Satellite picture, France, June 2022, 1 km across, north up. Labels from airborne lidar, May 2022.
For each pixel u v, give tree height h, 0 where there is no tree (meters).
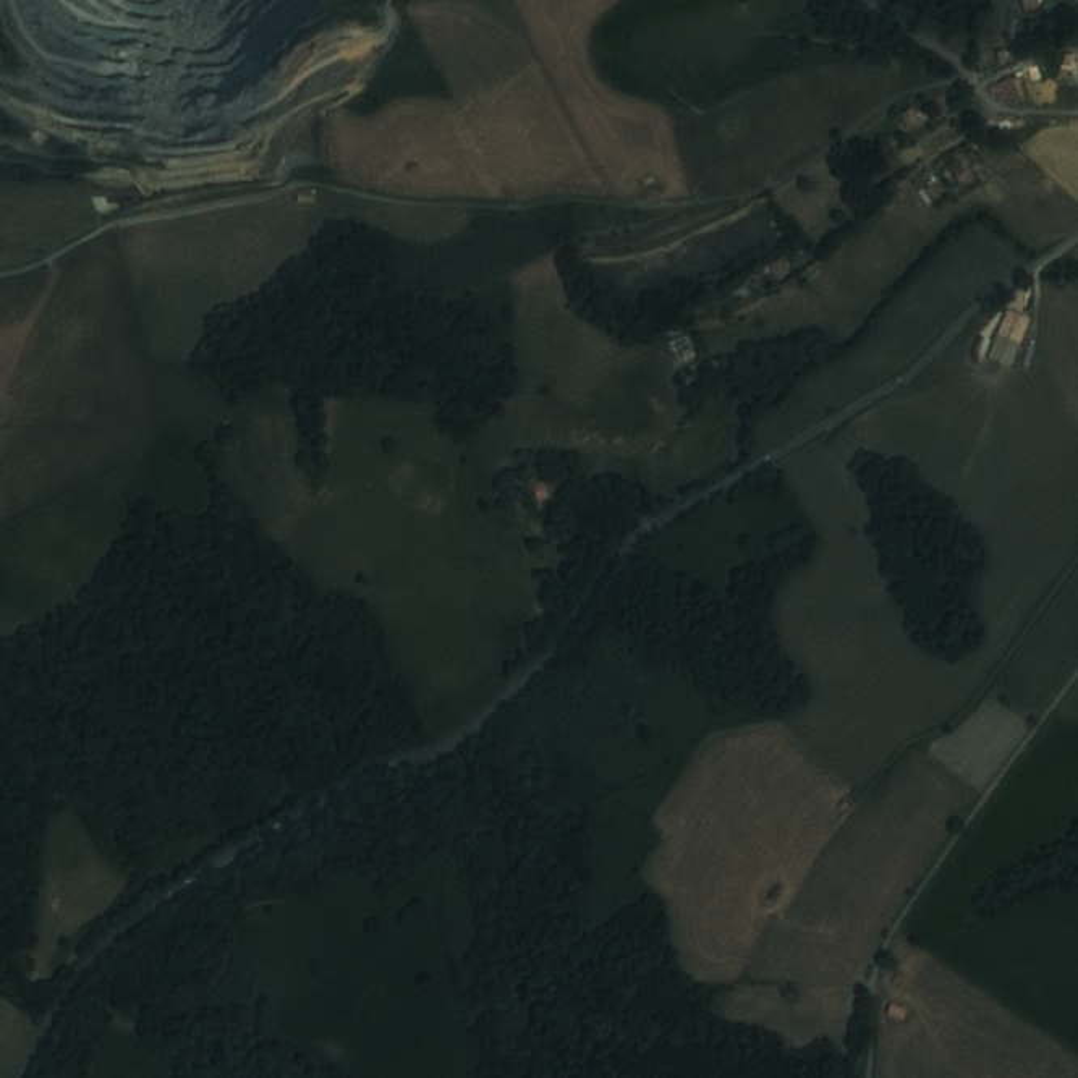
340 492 0
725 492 9
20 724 23
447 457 0
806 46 17
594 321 17
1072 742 0
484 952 13
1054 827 0
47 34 0
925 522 25
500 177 0
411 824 21
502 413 14
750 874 0
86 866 0
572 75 0
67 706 22
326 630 22
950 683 0
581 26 0
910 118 0
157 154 0
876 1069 0
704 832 0
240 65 0
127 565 22
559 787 8
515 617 0
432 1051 0
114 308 0
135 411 0
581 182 0
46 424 0
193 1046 21
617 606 21
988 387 0
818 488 0
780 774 0
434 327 18
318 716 19
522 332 0
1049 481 0
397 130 0
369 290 27
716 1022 10
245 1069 32
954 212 0
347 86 0
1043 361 0
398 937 0
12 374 0
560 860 16
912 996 0
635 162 0
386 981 0
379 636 16
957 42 0
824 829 0
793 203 0
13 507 0
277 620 20
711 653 18
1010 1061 0
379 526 0
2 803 25
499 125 0
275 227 0
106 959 16
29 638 22
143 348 0
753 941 0
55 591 0
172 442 0
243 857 14
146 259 0
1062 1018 0
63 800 17
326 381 22
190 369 6
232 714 21
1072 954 0
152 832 21
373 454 0
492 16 0
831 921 0
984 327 0
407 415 0
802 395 0
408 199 0
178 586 10
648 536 15
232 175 0
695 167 0
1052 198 0
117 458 0
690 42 0
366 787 28
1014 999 0
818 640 0
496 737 17
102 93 0
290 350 17
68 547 0
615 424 0
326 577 0
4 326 0
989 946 0
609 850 0
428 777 10
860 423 0
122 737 23
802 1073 14
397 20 0
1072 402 0
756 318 0
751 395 24
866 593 0
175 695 8
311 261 19
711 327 0
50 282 0
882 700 0
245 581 22
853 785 0
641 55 0
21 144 0
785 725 0
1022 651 0
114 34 0
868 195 22
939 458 0
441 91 0
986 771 0
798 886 0
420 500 0
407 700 23
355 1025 0
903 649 0
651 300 17
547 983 21
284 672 26
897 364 0
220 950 14
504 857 24
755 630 12
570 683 5
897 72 0
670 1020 17
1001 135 18
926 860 0
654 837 0
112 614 20
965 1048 0
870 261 0
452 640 0
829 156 6
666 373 0
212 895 20
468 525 0
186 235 0
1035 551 0
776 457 0
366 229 16
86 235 0
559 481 19
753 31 0
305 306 22
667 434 0
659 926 18
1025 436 0
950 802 0
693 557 0
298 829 22
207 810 23
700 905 0
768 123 0
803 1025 0
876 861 0
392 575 0
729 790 0
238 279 0
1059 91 0
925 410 0
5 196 0
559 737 8
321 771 20
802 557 13
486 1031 16
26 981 7
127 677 25
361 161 0
